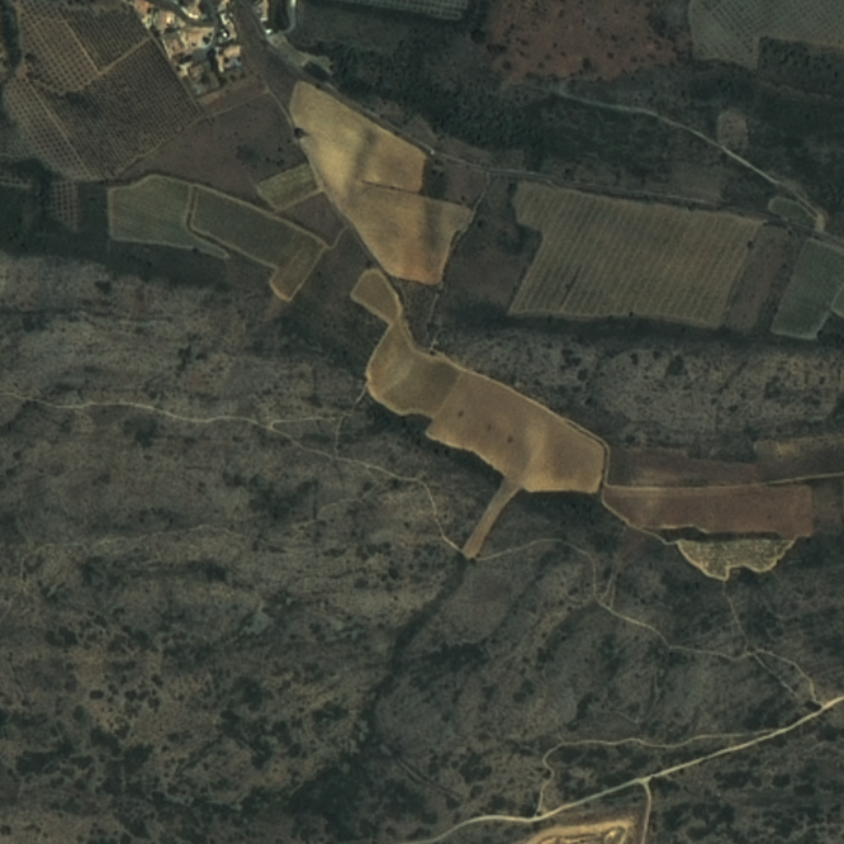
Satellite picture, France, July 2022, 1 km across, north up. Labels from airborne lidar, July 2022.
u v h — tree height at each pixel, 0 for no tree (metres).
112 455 0
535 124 0
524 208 0
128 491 0
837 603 0
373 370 0
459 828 0
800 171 0
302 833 0
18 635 0
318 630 0
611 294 0
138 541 0
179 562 0
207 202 0
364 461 0
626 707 0
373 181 0
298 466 0
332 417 0
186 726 0
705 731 0
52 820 0
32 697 0
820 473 0
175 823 0
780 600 0
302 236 0
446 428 0
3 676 0
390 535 0
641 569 0
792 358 0
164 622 0
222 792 0
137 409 0
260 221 0
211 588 0
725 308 0
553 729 0
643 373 0
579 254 0
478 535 0
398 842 0
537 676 0
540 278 0
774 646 0
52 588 0
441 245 0
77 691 0
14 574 0
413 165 0
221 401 0
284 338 0
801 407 0
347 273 0
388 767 0
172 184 0
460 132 10
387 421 7
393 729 0
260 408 0
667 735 0
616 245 0
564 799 0
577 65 0
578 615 0
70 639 0
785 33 0
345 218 0
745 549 0
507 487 0
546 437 0
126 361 0
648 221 0
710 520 0
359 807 0
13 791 0
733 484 0
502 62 0
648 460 0
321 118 0
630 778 0
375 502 0
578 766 0
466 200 6
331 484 0
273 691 0
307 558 0
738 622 0
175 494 0
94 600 0
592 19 0
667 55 0
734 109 0
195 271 0
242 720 0
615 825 0
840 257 0
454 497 0
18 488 0
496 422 0
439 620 0
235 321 0
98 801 0
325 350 0
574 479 0
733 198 0
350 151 0
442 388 0
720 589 0
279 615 0
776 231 0
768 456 0
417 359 0
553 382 0
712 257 0
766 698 0
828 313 0
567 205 0
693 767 0
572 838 0
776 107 0
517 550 0
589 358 0
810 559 0
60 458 0
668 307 0
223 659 0
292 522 0
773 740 0
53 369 0
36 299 0
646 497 0
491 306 0
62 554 0
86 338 0
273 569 0
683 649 0
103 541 0
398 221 0
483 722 0
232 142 0
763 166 0
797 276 0
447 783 0
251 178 0
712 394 0
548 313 0
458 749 0
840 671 0
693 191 0
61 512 0
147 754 0
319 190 0
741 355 0
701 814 0
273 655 0
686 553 0
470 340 0
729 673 0
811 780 0
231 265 0
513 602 0
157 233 0
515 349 0
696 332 0
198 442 0
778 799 0
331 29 0
